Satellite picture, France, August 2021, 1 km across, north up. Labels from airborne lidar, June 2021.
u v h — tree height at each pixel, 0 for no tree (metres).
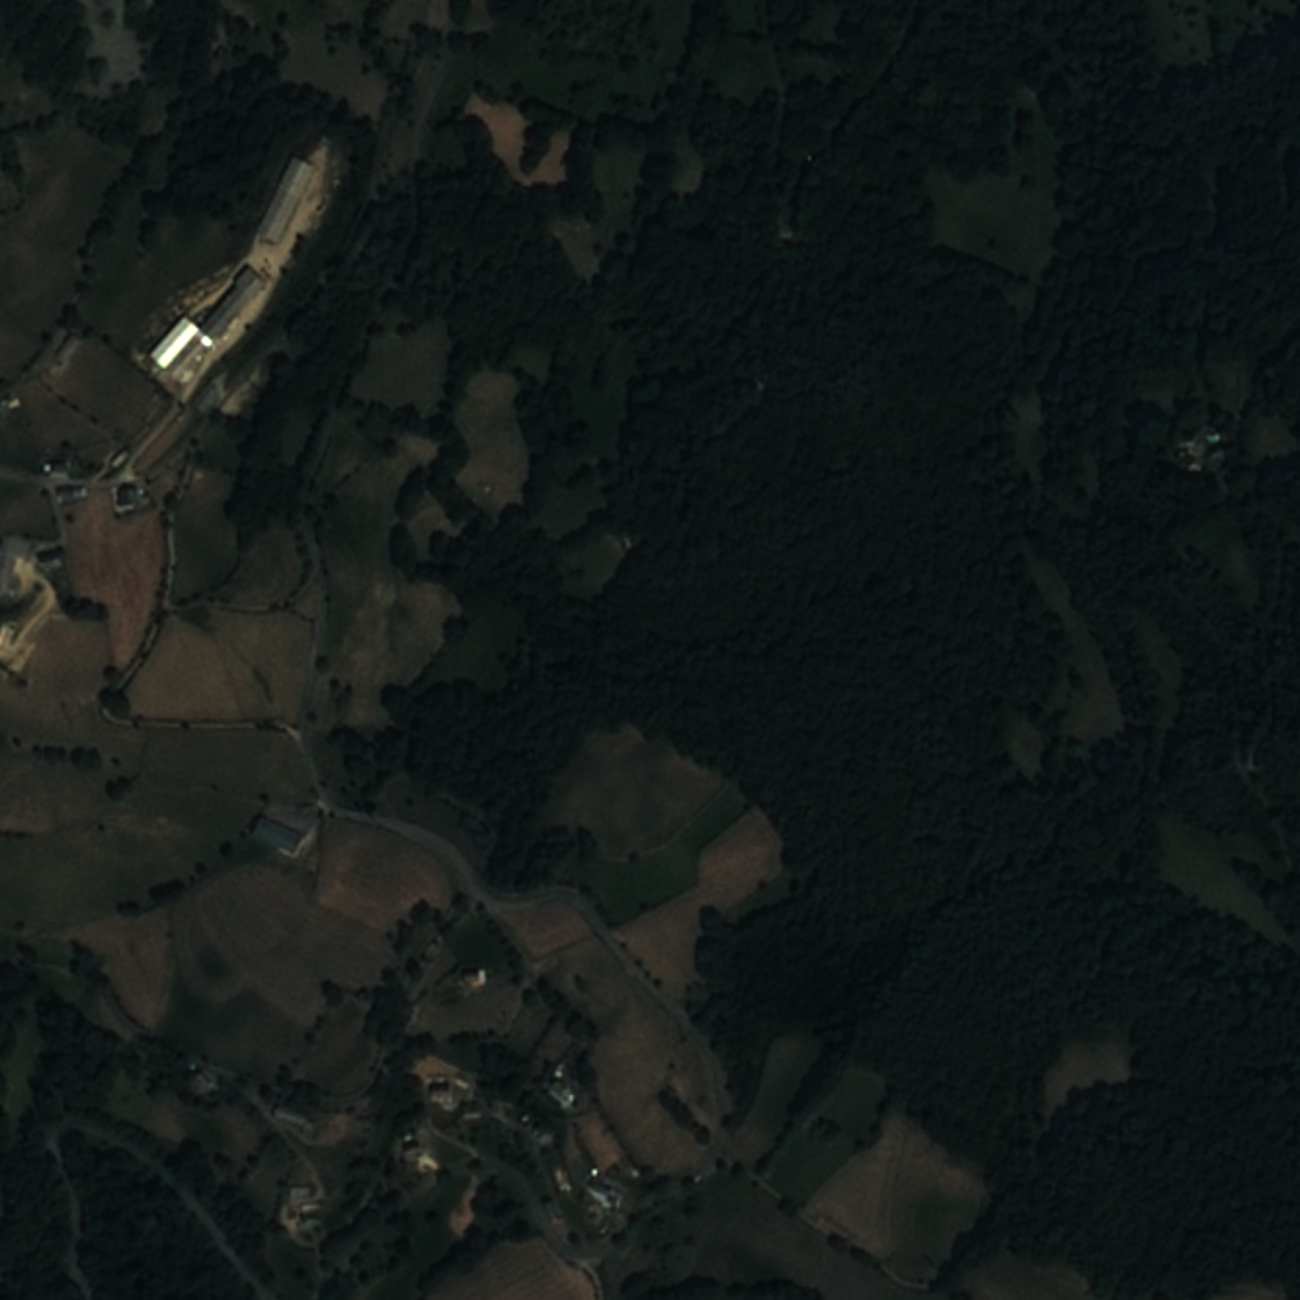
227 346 0
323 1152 0
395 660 0
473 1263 14
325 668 14
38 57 9
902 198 22
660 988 8
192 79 16
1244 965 22
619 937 0
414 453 0
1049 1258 20
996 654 23
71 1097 23
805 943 9
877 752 19
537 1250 0
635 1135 0
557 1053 0
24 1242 19
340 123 21
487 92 14
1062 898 21
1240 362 14
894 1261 0
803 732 22
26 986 15
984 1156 12
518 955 8
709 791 0
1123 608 19
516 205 21
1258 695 9
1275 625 8
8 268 0
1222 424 16
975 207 0
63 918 0
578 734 19
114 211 16
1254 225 25
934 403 26
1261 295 21
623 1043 0
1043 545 26
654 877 0
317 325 13
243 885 0
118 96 7
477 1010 0
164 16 16
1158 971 25
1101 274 21
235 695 0
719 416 15
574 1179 0
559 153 0
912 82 17
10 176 11
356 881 0
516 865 18
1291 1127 31
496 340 19
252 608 0
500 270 15
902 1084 14
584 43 19
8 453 0
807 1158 0
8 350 0
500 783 23
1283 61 21
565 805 0
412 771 16
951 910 20
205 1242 20
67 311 11
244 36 20
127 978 0
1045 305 17
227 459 0
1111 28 26
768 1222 0
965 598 17
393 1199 14
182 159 10
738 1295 14
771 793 19
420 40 18
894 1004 22
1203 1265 19
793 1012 12
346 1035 0
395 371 0
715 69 0
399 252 17
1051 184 0
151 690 0
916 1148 0
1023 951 17
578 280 21
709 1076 0
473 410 0
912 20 22
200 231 0
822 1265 0
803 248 18
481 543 24
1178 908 18
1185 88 21
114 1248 28
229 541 0
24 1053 0
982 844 25
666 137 19
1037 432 0
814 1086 12
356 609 0
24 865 0
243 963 0
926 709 23
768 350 20
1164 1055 18
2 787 0
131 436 0
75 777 0
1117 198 23
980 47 25
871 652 17
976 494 31
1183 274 25
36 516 0
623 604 24
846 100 24
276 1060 0
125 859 0
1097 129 21
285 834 0
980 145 25
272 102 26
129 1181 10
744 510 21
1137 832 22
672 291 17
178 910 0
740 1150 0
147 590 0
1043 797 22
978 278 19
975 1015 24
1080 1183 18
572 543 14
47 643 0
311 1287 10
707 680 26
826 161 15
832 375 17
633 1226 11
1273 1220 20
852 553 24
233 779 0
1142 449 21
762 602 27
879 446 19
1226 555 0
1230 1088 34
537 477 14
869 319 17
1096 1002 23
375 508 0
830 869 21
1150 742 21
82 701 0
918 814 20
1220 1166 19
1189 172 26
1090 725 0
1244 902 0
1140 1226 20
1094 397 20
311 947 0
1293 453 0
